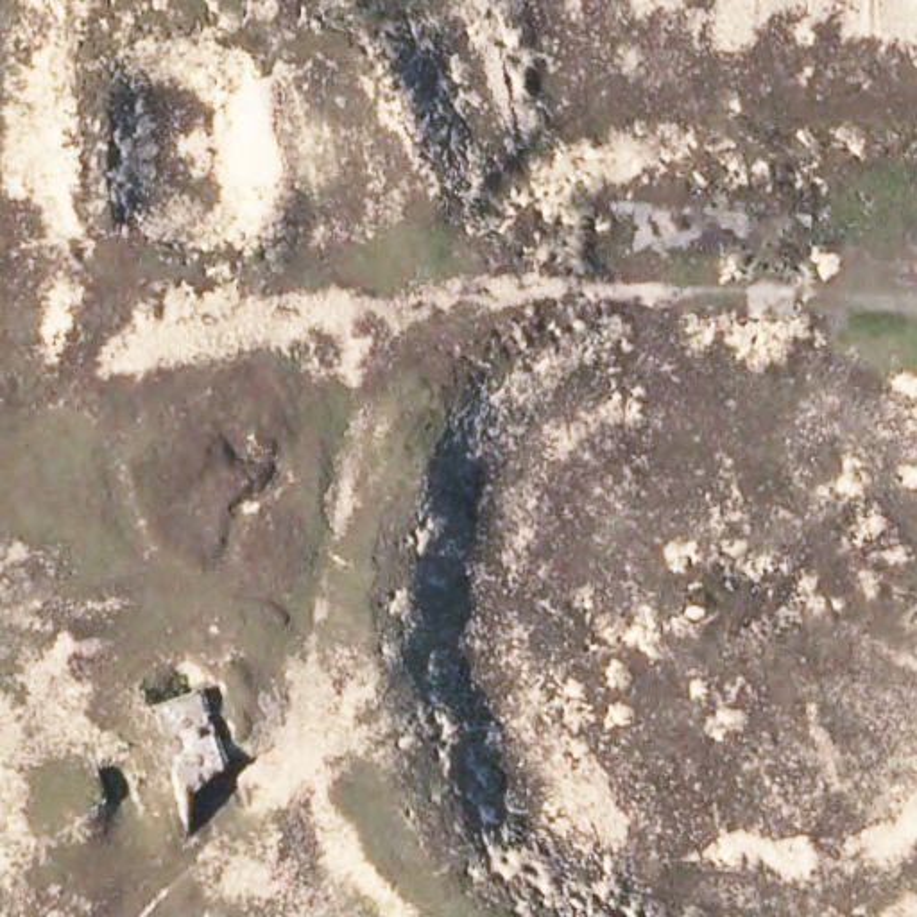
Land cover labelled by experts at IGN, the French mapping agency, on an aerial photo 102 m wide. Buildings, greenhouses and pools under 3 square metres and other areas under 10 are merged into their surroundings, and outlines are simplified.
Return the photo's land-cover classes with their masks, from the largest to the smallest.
<instances>
[{"label":"bare soil","instance_id":"1","mask_svg":"<svg viewBox=\"0 0 917 917\"><path fill-rule=\"evenodd\" d=\"M455 0H93L82 39L72 50L79 129L64 133V147L79 150V186L72 193V211L82 226V233L72 240L86 254H93L97 244L86 229L107 215V100L125 79L133 86L150 82L147 75H129L125 61L118 57L115 36L118 18L125 11L133 14L129 47H136L140 39H190L251 54L265 90L272 93L269 125L283 161V197H290L294 190L326 186L340 176L344 161H362L365 211L362 222H355V244H369L376 229H383L387 222L405 219L408 226H423L426 247L433 254V276L441 283L455 276L530 272L562 279V297L519 301L498 312L476 304H451L437 308L423 322H412L405 333H394L376 315H362L355 319V333L369 337V351L362 358V383L351 387V405L358 412L351 416L347 441L337 459V505L330 516L333 527H347L355 512V480L365 451L383 448L390 426L405 437V462L394 473H387V480H394V491L380 512L376 544L369 552V652L380 673V691L390 698V713L405 716L416 738V745L408 749V763L401 770L405 788L416 792V817L426 831L430 856L433 863L451 867L459 899L480 906L484 913L516 910L519 917H530V903L512 899L509 878L494 870L487 849L527 845V835L544 806L541 770L552 763L548 734L584 741L605 770L616 810L627 817V838L613 867L616 888L634 892L630 903H656V878L663 867L702 863L698 888L713 903H720V917H917V842L910 856L896 867L870 863L867 870L849 874L813 867L799 881H784L774 867L745 856L738 860V867L713 863L709 845L720 842V835L749 831L770 842L810 838L813 853L838 860L849 835L896 824L910 802V792L917 788V376H896L892 383H885L874 369H863L845 355L827 351L824 333L810 330L802 319L767 322L763 304H749V290L759 283H788L792 297H813V276H831L838 269L835 254L845 244L867 247L874 258H903L917 244V43L899 47L870 36L849 39L842 36L838 21H820L802 7H792L770 14V21L756 32L752 47L716 50V11H695L688 18V32H670V39H659V18H638L634 0H505L509 25L530 50L527 100L537 115V125L523 133L516 125H498V107L487 86L484 57L473 50L466 25L451 14ZM587 283H666L691 287V297L663 304L587 301ZM14 226L21 247L47 251L50 258L54 290L47 297L43 315L47 362H57V355L64 351L72 308L82 301V287H72L79 279L72 240L57 247L47 244L43 211L32 201H18ZM283 351L312 380L340 376V344L326 330H308ZM61 548H0V917H90L93 903L79 892L68 899L64 910H47L43 903H36L25 870L29 863H47V849L54 845L86 842L90 827L111 842L122 802L133 810L136 820L179 813L183 820L190 817L193 835L208 831V842L193 863L197 885L204 892V917H380L376 903L355 881L333 878L322 867V849L312 824V799H290L287 806L269 813H251L247 806L254 799V784L240 781V770L272 752V731L287 727V673H279L261 695L247 691L233 677V645H226L222 652L183 659L179 673H165L147 691L129 688L118 702L129 709V720L115 734L100 731L86 720L93 688L72 681L68 656H97L100 641H79L68 634V627L75 616L115 613L118 598L75 602L64 595H50ZM179 695L204 702L222 752V770H215L183 802L172 799V756L183 749V738L161 734L154 727L158 706ZM57 756H79L93 763L100 770L104 802L93 820L79 813L50 835H32L25 824L29 784L18 770Z\"/></svg>","mask_w":917,"mask_h":917},{"label":"herbaceous vegetation","instance_id":"2","mask_svg":"<svg viewBox=\"0 0 917 917\"><path fill-rule=\"evenodd\" d=\"M25 0H0V154L7 133L4 36L11 25L21 21ZM18 201L4 190L0 176V548H61L50 595H64L75 602L118 598L115 613L75 616L68 627V634L79 641H100L97 656H68L72 681L93 688L86 720L100 731L115 734L129 720V709L118 702L129 688L147 691L165 673H179L183 659L222 652L226 645H233V677L247 691L261 695L279 673H287V659H304L308 634L330 648L369 652V552L376 544L380 512L394 491V480H387V473H394L405 462V437L390 426L383 448L365 451L355 480V512L347 527H333L330 516L337 505V459L347 441L351 416L358 412L351 405V387L340 376L312 380L283 351L251 347L236 351L233 358H204L158 365L147 373L100 376L104 344L115 333H125L136 304H143L154 319H165V297L176 287L211 294L222 287H236L240 297L347 290L355 297L387 301L441 283L433 276V254L426 247L423 226H408L405 219L387 222L383 229H376L369 244H355V222H362L365 211L362 161H344L340 176L326 186L294 190L290 197H283L276 233L261 236L254 251H236L233 244L204 251L186 247L179 240H150L136 219L115 226L107 215L86 229L97 244L93 254H86L72 240L79 279L72 287H82V301L72 308L64 351L57 355V362H47L43 315L47 297L54 290L50 258L47 251L21 247L14 226ZM838 269L831 276H813V297H792L802 319L810 330L824 333L827 351L845 355L863 369H874L885 383H892L896 376H917V315L860 312L853 304V294H917V244L903 258H874L867 247L845 244L835 254ZM29 784L25 824L32 835H50L79 813L93 820L104 802L100 770L93 763L79 756H57L18 770ZM330 802L358 831L362 856L373 863V870L408 906H416L419 917H519L516 910L484 913L480 906L459 899L451 867L433 863L430 856L426 831L416 817V792L405 788L401 770L376 767L358 756L351 770L330 784ZM208 842V831L193 835L190 817L183 820L179 813L136 820L133 810L122 802L111 842L90 827L86 842L54 845L47 849V863H29L25 870L36 903H43L47 910H64L68 899L79 892L93 903L90 917H204V892L197 885L193 863ZM702 863L663 867L656 878V903L666 917H720V903H713L698 888Z\"/></svg>","mask_w":917,"mask_h":917},{"label":"pervious surface","instance_id":"3","mask_svg":"<svg viewBox=\"0 0 917 917\"><path fill-rule=\"evenodd\" d=\"M93 0H25L21 21L11 25L4 36L7 133L0 154V176L4 190L18 201H32L43 211L47 244L57 247L72 240L82 233V226L72 211V193L79 186V150L64 147V133L79 129L72 50L82 39ZM451 14L466 25L473 50L484 57L487 86L498 107V125H516L523 133L537 125V115L527 100L530 50L509 25L505 0H455ZM792 7H802L820 21H838L842 36L849 39L870 36L899 47L917 43V0H634L638 18H659V39H670V32H688V18L695 11H716V50L752 47L756 32L770 21V14ZM133 14L125 11L118 18L115 36L118 57L125 61L129 75H147L150 82L133 86L125 79L107 100V215L115 226L136 219L150 240H179L186 247L204 251L233 244L236 251H254L261 236L276 233L283 197V161L269 125L272 93L265 90L251 54L190 39H140L136 47H129ZM562 297V279L530 272L455 276L441 283L387 301L355 297L347 290L240 297L236 287H222L211 294L176 287L165 297V319H154L143 304H136L125 333H115L104 344L100 376L147 373L158 365L204 358H233L236 351L251 347L283 351L308 330H326L340 344V376L351 387L362 383V358L369 351V337L355 333V319L362 315H376L394 333H405L412 322H423L437 308L451 304H476L498 312L519 301ZM587 301L663 304L691 297V287L666 283H587ZM763 304L767 322L802 319L792 297L788 283H759L749 290V304ZM853 304L860 312L917 315V294H853ZM287 727L272 731V752L240 770V781L254 784V799L247 806L251 813H269L287 806L290 799H312V824L322 849V867L333 878L355 881L376 903L380 917H419L416 906H408L373 870V863L362 856L358 831L330 802V784L351 770L358 756L376 767L401 770L408 763V749L416 745V738L405 716L390 713V698L380 691V673L369 652L330 648L308 634L304 659H287ZM552 763L541 770L544 806L527 835V845L487 849L494 870L509 878L512 899L530 903V917H666L656 903H630L634 892L616 888L613 867L627 838V817L616 810L605 770L584 741L548 734ZM917 842V788L910 792V802L896 824L849 835L838 860L813 853L810 838L770 842L749 831L720 835V842L709 845L713 863L738 867V860L745 856L774 867L784 881H799L813 867L849 874L867 870L870 863L896 867L910 856Z\"/></svg>","mask_w":917,"mask_h":917},{"label":"building","instance_id":"4","mask_svg":"<svg viewBox=\"0 0 917 917\"><path fill-rule=\"evenodd\" d=\"M154 727L161 734L183 738V749L172 756V799L183 802L215 770H222V752L204 702L179 695L158 706Z\"/></svg>","mask_w":917,"mask_h":917}]
</instances>
